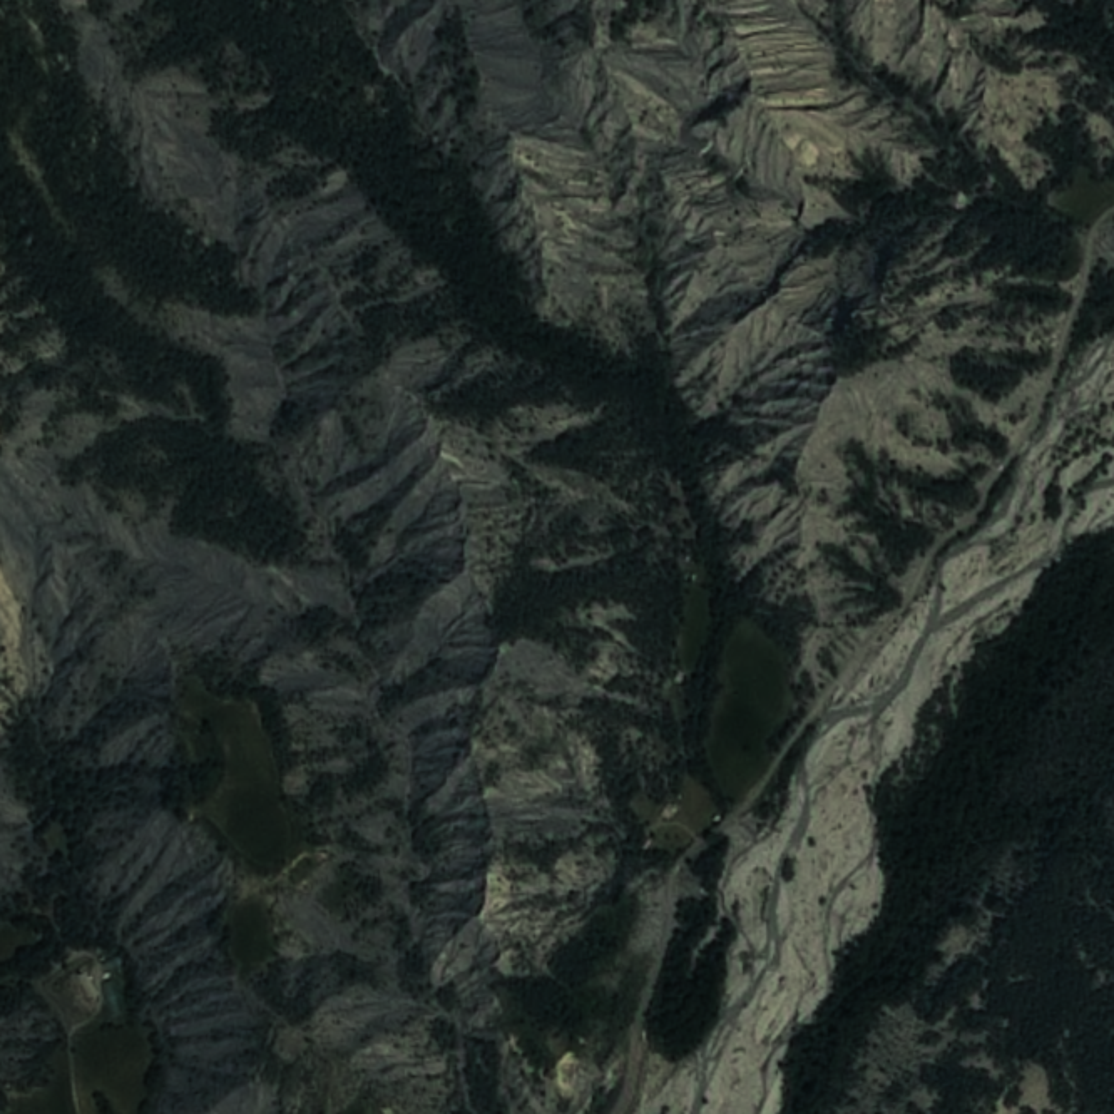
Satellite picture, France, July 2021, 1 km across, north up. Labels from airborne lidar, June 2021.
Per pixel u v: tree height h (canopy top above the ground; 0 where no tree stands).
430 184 9
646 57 0
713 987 16
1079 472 0
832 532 0
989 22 0
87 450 7
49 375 8
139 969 6
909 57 0
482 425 8
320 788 8
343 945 0
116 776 9
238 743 0
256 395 0
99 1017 0
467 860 0
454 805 0
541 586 9
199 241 6
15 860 0
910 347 7
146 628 0
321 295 0
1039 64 6
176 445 8
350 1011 0
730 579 8
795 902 0
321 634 9
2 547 0
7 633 0
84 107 8
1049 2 10
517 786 0
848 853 0
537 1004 11
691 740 11
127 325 10
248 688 12
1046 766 8
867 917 0
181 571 0
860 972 10
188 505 9
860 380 0
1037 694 7
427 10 0
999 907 7
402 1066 0
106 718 7
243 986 0
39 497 0
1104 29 14
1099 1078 7
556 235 0
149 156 0
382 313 9
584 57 0
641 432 10
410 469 0
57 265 14
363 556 7
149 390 7
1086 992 8
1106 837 6
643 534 15
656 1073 0
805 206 0
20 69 16
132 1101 0
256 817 0
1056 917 9
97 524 0
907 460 0
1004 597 0
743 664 0
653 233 7
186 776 6
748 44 0
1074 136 12
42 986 0
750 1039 0
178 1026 0
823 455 0
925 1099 0
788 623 10
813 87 0
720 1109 0
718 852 9
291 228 0
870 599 9
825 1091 9
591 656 7
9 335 7
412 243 10
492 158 0
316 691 0
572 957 7
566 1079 0
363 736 10
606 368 14
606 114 0
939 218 7
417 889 8
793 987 0
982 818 8
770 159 0
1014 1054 6
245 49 11
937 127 13
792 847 0
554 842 6
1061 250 8
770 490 0
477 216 14
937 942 8
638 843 9
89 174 6
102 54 0
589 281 0
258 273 0
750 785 0
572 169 0
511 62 0
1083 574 8
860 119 0
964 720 7
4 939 0
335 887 0
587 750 0
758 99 0
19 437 0
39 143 9
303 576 0
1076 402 0
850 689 0
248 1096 0
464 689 0
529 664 0
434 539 0
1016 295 7
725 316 0
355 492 0
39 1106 0
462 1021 0
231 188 0
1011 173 6
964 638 0
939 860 18
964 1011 7
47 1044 7
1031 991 7
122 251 7
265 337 0
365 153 8
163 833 0
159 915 0
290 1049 0
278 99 9
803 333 0
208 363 6
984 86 0
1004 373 13
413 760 0
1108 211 0
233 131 8
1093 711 7
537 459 7
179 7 12
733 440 8
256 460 8
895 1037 0
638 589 11
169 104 0
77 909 9
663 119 0
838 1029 19
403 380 0
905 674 0
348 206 0
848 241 8
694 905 7
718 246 0
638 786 8
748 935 0
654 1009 7
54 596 0
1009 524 0
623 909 0
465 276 15
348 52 7
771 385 0
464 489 0
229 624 0
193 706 0
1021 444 0
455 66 7
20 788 8
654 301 6
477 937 0
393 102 11
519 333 16
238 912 0
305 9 9
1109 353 0
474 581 0
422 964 6
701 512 13
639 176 0
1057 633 11
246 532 7
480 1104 6
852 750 0
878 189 8
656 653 10
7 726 7
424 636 0
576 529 7
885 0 0
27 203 10
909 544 8
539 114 0
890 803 9
